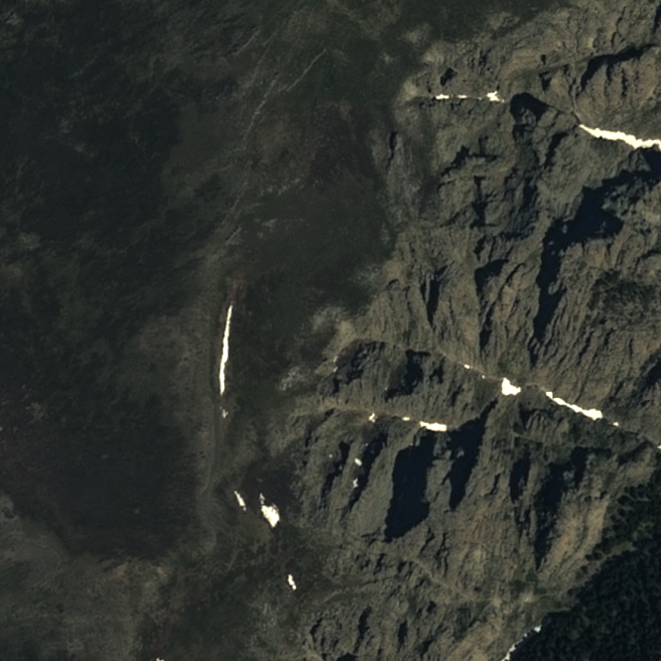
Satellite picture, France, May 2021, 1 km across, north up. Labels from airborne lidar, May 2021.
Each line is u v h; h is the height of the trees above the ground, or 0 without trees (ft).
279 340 0
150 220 0
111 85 0
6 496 0
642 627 66
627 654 89
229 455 0
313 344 0
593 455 108
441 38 0
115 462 0
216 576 0
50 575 0
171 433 0
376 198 0
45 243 0
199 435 0
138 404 0
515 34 0
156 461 0
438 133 0
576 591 37
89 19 0
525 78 0
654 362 37
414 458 0
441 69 0
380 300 0
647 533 53
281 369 0
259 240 0
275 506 0
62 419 0
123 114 0
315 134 0
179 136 0
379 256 0
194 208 0
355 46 0
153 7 0
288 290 0
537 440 24
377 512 0
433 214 0
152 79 0
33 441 0
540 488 19
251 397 0
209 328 0
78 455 0
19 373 0
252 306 0
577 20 0
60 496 0
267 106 0
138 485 0
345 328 0
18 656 0
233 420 0
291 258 0
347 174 0
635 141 0
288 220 0
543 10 0
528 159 0
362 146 0
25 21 0
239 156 0
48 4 0
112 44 0
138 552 0
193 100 0
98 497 0
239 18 0
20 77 0
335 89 0
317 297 0
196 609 0
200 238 0
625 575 122
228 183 0
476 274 0
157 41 0
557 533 44
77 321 0
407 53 0
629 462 41
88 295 0
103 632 0
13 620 0
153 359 0
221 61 0
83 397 0
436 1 0
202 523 0
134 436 0
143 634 0
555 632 137
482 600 0
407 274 0
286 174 0
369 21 0
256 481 0
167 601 0
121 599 0
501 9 0
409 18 0
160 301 0
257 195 0
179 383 0
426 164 0
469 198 0
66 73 0
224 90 0
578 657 61
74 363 0
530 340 53
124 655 0
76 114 0
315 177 0
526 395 0
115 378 0
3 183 0
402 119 0
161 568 0
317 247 0
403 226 0
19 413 0
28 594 0
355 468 20
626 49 21
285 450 0
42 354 0
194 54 0
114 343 0
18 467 0
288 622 0
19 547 0
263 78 0
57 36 0
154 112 0
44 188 0
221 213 0
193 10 0
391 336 0
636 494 80
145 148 0
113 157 0
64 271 0
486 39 0
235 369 0
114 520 0
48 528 0
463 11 0
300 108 0
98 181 0
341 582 0
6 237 0
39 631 0
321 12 0
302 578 0
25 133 0
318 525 0
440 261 0
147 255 0
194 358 0
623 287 42
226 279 0
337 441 0
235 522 0
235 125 0
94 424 0
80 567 0
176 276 0
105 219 0
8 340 0
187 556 0
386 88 0
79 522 0
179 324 0
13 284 0
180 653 0
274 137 0
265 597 0
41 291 0
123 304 0
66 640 0
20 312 0
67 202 0
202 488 0
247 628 0
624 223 121
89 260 0
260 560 0
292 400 0
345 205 0
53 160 0
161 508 0
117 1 0
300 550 0
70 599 0
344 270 0
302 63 0
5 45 0
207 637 0
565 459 25
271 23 0
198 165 0
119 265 0
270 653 0
